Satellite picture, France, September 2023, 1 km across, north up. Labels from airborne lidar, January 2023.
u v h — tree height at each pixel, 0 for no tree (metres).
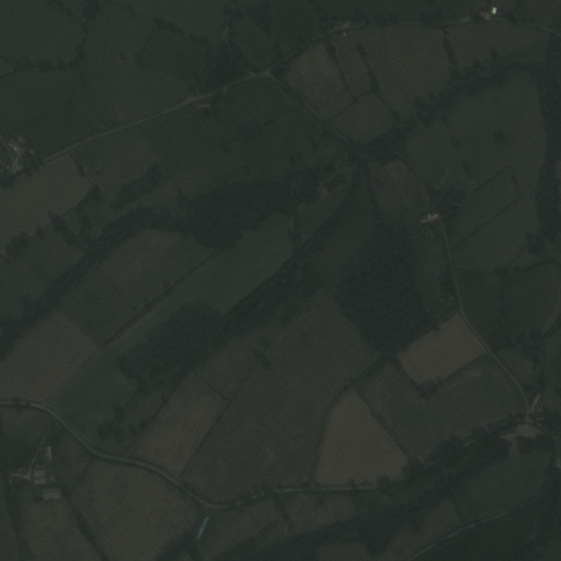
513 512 8
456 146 8
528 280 0
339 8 0
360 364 0
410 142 0
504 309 14
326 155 0
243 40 0
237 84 0
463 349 0
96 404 0
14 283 0
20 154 0
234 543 0
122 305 0
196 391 0
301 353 0
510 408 0
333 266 0
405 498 0
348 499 0
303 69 0
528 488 0
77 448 0
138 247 0
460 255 0
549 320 0
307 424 0
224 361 0
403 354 0
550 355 0
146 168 0
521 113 0
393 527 0
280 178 0
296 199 16
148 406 0
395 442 0
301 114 0
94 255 9
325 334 0
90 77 0
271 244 0
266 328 0
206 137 0
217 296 0
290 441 0
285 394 0
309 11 0
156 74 0
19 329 19
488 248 0
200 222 15
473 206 0
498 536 0
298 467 0
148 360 21
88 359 0
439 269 0
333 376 0
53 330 0
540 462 0
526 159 0
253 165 0
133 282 0
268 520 0
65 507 0
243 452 0
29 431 0
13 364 0
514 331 0
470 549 0
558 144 23
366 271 25
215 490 0
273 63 9
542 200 20
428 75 0
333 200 0
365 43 0
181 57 0
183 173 0
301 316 0
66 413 0
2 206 0
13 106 0
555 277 0
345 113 0
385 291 9
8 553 0
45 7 0
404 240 23
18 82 0
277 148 0
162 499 0
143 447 0
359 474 0
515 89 0
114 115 0
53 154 0
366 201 0
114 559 0
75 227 0
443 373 0
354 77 0
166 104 0
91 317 0
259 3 0
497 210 0
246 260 0
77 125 0
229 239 20
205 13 0
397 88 0
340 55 0
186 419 0
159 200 0
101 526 0
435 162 0
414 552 0
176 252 0
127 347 0
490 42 0
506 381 0
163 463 0
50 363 0
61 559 0
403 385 0
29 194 0
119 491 0
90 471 0
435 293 0
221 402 0
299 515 0
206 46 16
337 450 0
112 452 0
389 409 0
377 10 0
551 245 0
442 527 0
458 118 0
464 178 0
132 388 0
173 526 0
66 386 0
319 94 0
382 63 0
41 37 0
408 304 16
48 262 0
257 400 0
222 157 0
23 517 0
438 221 0
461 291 0
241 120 0
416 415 0
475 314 0
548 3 0
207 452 0
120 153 0
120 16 0
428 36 0
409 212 0
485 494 0
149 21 0
